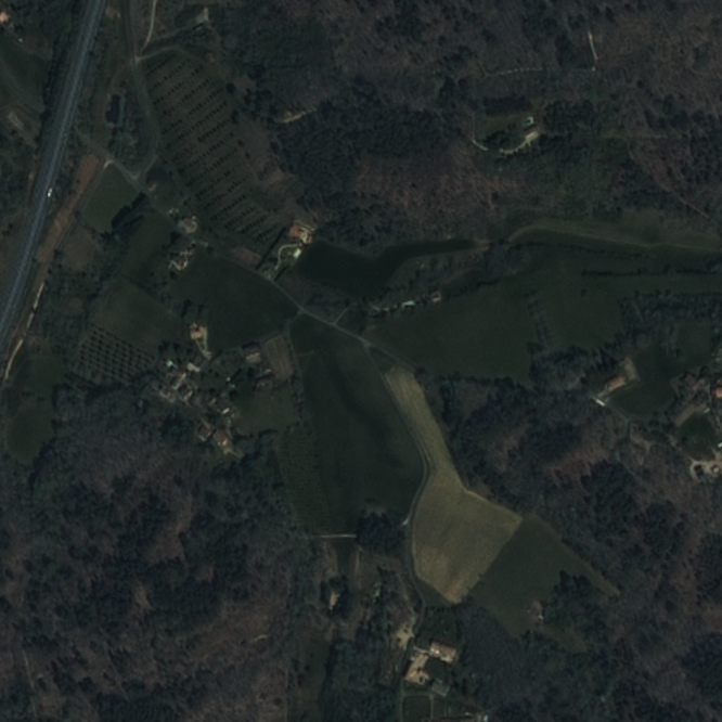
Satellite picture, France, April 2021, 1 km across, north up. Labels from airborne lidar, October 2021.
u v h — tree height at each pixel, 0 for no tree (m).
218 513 28
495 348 0
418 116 8
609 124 14
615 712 11
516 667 17
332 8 10
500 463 17
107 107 0
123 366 6
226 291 0
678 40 16
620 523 21
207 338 0
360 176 27
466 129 12
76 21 8
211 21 10
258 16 10
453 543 0
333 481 0
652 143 10
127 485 10
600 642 21
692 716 13
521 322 0
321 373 0
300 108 7
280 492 15
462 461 11
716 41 15
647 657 26
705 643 10
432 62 11
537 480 23
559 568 0
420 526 0
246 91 0
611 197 17
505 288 0
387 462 0
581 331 0
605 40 13
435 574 0
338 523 0
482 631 17
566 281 0
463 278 0
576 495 8
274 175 10
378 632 10
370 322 16
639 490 10
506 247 19
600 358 10
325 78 11
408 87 8
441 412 0
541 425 20
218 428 14
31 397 13
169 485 6
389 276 0
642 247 0
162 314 0
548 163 16
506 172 15
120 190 0
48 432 0
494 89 10
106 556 8
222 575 18
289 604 10
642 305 6
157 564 7
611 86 11
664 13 15
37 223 0
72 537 9
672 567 21
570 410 20
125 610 15
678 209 15
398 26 12
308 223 0
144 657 10
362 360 0
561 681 16
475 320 0
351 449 0
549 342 10
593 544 20
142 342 0
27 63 0
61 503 10
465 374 0
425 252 0
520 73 9
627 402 0
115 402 21
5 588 24
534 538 0
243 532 20
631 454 14
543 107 8
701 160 12
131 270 0
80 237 0
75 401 20
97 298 11
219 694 15
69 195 9
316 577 26
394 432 0
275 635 11
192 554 23
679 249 0
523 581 0
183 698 13
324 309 12
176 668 14
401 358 0
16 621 13
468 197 16
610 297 0
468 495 0
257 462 17
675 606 18
